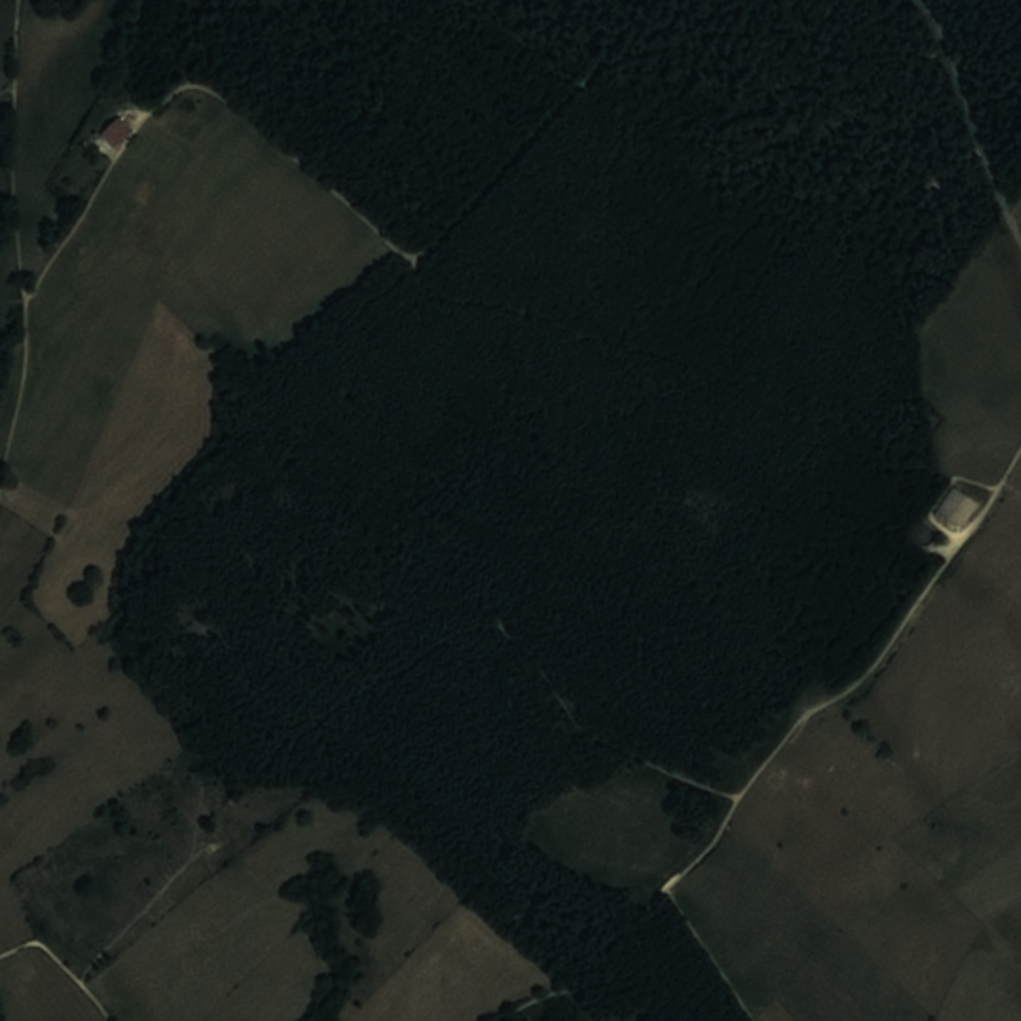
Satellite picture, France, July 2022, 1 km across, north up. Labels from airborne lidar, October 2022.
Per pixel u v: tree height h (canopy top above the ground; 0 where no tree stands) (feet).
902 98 111
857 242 67
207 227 0
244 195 0
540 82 27
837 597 35
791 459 67
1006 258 0
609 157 46
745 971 0
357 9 68
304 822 43
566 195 55
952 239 117
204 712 56
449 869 73
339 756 93
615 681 76
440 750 92
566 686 61
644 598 59
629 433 63
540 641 80
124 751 0
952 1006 0
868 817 0
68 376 0
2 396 57
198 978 0
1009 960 0
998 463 0
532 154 56
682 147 50
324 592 75
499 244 54
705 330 62
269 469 69
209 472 68
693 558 67
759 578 50
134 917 0
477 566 77
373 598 80
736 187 28
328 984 57
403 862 0
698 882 0
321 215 0
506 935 48
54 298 0
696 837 69
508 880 95
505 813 86
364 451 67
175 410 0
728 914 0
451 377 58
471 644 77
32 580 27
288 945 0
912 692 0
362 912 62
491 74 32
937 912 0
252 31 62
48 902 0
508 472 83
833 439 46
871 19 105
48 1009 0
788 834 0
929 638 0
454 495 85
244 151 0
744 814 0
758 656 69
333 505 78
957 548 0
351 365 67
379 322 63
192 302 0
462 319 59
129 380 0
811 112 98
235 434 53
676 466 66
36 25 0
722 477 75
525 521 71
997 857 0
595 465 74
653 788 0
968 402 0
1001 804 0
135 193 0
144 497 0
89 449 0
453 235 44
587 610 64
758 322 73
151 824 0
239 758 89
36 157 0
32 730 30
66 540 0
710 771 69
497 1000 0
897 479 49
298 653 84
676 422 64
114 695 0
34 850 0
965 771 0
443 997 0
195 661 64
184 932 0
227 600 79
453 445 66
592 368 64
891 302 60
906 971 0
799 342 72
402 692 81
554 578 70
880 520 29
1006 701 0
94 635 31
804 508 51
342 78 81
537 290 60
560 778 75
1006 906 0
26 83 0
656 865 0
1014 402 0
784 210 33
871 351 68
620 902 77
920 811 0
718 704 69
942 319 0
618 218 54
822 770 0
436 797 94
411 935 0
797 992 0
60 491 0
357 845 0
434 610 90
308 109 71
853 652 27
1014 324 0
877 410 70
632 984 58
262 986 0
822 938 0
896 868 0
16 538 0
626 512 74
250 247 0
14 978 0
